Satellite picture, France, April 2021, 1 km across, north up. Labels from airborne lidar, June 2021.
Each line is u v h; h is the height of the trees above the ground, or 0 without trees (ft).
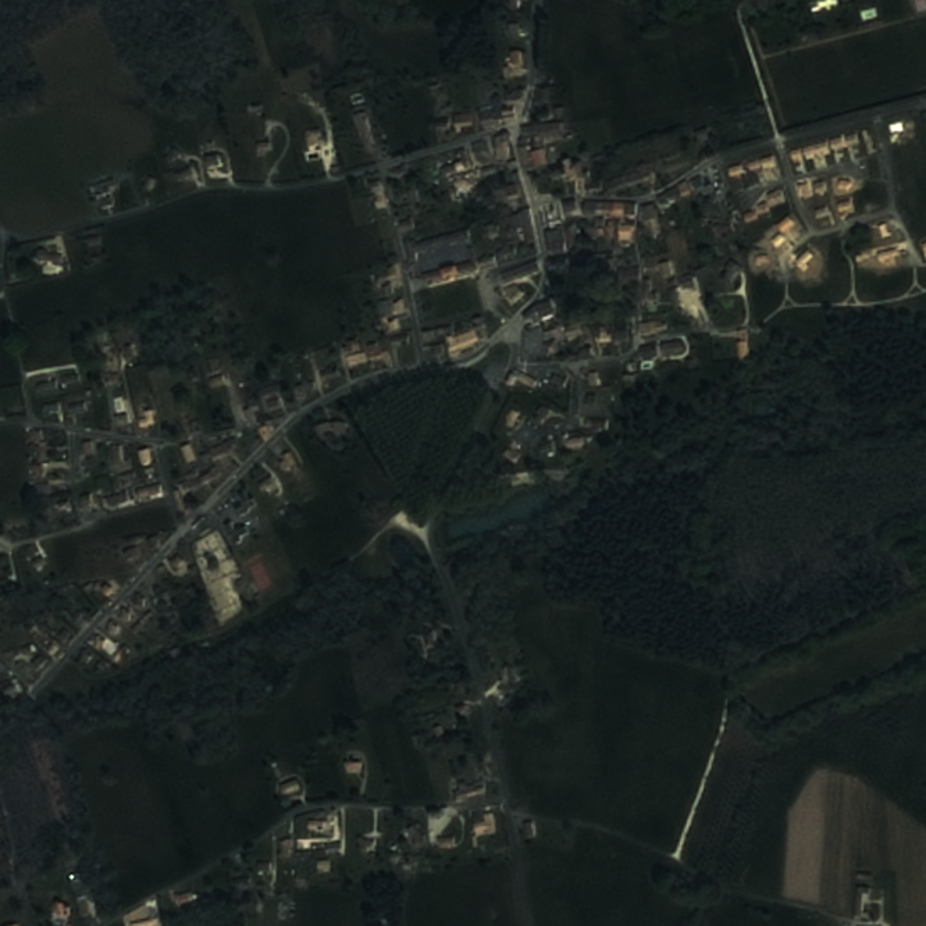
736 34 0
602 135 0
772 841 0
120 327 45
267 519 0
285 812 26
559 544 62
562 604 58
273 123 0
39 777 42
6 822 48
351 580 48
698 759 0
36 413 0
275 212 0
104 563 0
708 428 35
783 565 67
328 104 20
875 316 28
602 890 0
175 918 43
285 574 0
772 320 0
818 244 0
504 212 23
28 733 44
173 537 0
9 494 0
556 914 0
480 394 85
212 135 0
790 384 40
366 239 0
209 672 46
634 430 38
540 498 0
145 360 40
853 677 0
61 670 0
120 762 0
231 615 0
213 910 70
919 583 48
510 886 0
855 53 0
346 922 0
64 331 0
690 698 0
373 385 0
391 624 34
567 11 0
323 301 0
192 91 60
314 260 0
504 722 0
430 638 0
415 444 87
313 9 55
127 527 0
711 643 64
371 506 45
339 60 0
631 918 0
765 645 49
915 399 58
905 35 0
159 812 0
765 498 58
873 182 0
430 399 81
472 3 0
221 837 0
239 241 0
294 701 0
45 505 55
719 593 49
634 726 0
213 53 81
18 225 0
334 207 0
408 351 0
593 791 0
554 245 0
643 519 61
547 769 0
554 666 0
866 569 49
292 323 0
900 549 75
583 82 0
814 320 0
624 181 0
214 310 58
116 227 0
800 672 0
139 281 0
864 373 59
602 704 0
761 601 56
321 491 0
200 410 0
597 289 100
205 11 53
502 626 54
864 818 0
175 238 0
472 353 0
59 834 44
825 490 54
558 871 0
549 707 57
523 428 0
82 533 0
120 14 51
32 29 58
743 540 53
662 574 52
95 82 0
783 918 0
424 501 83
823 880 0
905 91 0
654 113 0
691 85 0
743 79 0
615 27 0
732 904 0
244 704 51
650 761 0
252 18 0
